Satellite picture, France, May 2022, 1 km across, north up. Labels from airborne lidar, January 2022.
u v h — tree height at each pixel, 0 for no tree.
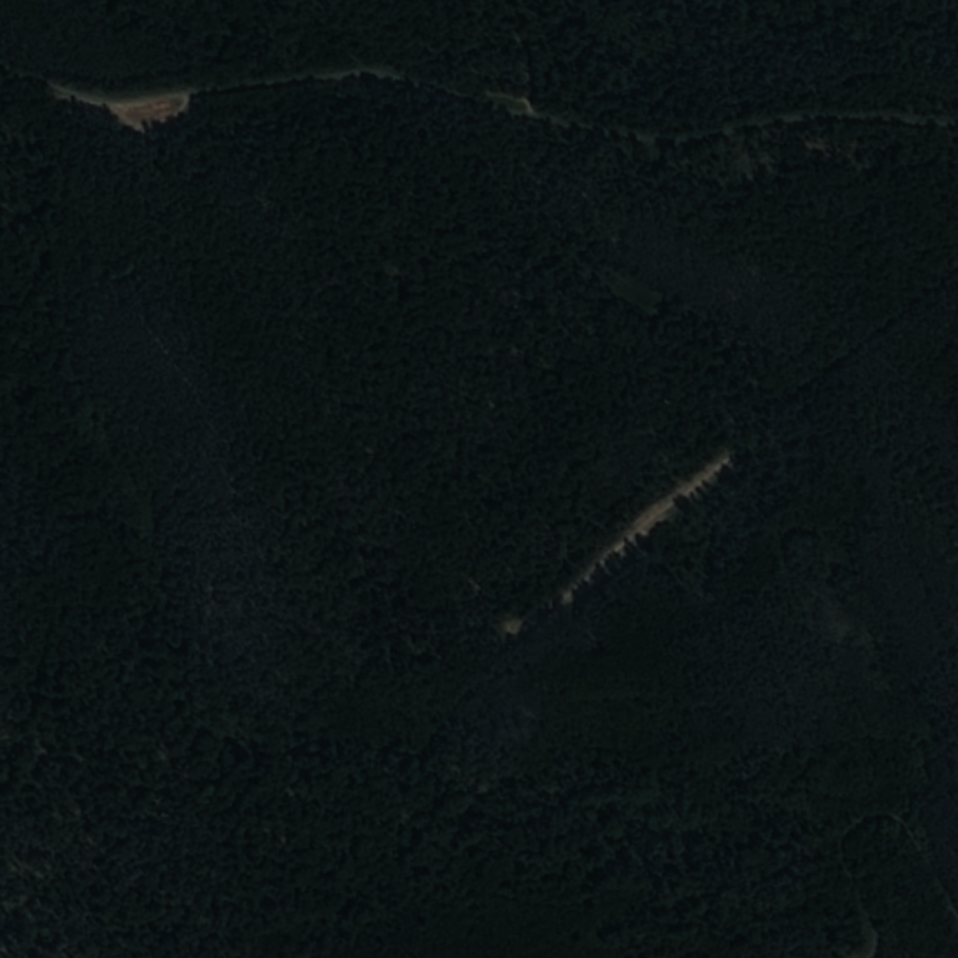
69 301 26
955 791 20
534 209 22
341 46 17
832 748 19
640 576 30
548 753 25
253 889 26
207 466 19
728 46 28
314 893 27
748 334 22
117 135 24
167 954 27
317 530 27
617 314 30
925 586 15
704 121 22
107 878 25
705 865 26
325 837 25
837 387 23
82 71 20
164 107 0
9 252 26
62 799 26
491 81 19
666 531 13
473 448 19
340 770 31
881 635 18
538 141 15
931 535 17
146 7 20
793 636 25
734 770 7
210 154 17
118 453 21
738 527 25
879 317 21
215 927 29
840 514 20
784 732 22
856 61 29
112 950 26
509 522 24
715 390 25
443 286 22
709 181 22
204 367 22
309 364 20
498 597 24
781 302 20
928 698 11
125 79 21
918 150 17
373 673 19
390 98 24
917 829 17
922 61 24
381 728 13
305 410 25
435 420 24
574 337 25
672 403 25
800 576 26
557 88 22
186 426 17
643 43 28
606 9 31
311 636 19
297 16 24
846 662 18
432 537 24
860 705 20
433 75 21
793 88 20
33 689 30
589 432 21
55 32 18
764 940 28
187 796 26
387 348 22
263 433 18
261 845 22
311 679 15
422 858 28
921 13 18
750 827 16
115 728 31
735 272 20
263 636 24
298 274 22
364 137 26
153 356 23
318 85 14
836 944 26
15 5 17
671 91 17
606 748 10
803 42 26
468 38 22
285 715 29
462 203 27
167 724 30
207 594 23
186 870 22
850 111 8
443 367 21
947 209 21
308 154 27
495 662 19
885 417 23
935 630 14
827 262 17
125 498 22
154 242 19
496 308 30
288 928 11
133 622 24
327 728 20
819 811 19
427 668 21
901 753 15
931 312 24
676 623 22
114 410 24
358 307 25
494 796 17
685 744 12
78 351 25
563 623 20
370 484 27
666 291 20
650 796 30
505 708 15
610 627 19
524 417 23
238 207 16
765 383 26
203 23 15
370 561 26
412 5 26
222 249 17
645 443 19
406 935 15
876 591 17
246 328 22
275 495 24
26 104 22
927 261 23
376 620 25
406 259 27
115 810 17
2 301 26
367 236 28
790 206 23
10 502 25
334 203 25
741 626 28
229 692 26
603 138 30
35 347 27
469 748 25
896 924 16
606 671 20
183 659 30
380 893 27
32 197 24
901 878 21
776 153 18
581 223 24
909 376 22
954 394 21
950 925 17
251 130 16
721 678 25
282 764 32
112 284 21
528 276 22
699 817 28
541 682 16
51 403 15
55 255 26
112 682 30
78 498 23
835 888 22
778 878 30
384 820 24
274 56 25
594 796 32
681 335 29
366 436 22
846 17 28
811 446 25
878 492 16
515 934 10
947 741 16
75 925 31
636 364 26
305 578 24
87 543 23
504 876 11
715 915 27
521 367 19
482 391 21
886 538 15
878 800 13
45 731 30
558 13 10
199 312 20
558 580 7
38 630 26
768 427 26
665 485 20
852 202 20
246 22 21
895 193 18
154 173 23
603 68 26
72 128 16
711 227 15
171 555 24
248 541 26
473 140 25
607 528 24
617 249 17
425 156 25
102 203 15
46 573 25
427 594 22
